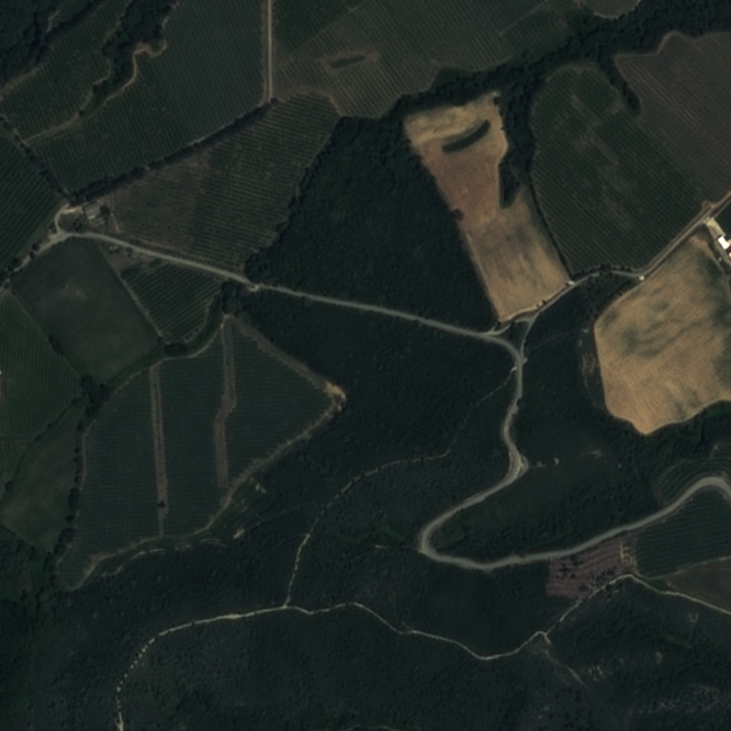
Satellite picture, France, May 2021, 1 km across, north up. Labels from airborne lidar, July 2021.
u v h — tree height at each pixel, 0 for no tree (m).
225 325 0
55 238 0
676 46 0
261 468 0
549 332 11
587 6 0
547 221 7
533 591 6
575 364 6
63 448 0
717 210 0
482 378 6
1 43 22
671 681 11
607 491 9
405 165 19
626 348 0
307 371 0
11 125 8
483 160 0
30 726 7
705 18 15
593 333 0
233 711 11
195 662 6
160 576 7
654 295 0
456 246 8
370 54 0
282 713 9
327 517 7
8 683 14
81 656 6
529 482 0
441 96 22
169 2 11
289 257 12
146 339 0
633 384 0
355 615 6
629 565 0
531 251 0
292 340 8
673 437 6
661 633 7
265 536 6
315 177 13
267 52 0
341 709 6
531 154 14
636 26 13
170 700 9
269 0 0
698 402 0
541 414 5
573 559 9
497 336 0
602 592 6
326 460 9
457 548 6
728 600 0
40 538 0
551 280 0
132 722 11
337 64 0
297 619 6
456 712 7
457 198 0
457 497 7
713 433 7
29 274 0
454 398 7
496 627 6
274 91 0
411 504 6
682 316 0
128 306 0
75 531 11
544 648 0
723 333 0
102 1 19
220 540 0
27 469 0
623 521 7
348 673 6
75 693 6
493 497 5
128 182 21
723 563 0
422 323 11
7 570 18
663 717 7
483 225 0
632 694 9
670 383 0
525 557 8
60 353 10
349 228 13
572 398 6
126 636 9
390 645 6
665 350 0
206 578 6
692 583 0
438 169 0
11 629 26
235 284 12
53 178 22
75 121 0
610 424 12
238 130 20
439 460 6
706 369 0
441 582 6
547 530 13
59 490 0
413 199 8
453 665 6
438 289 9
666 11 15
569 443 0
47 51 19
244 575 8
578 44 22
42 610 12
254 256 11
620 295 6
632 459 12
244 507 0
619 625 11
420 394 7
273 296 7
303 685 9
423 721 6
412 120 0
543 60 16
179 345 10
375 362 6
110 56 18
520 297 0
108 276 0
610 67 11
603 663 6
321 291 7
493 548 6
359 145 15
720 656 7
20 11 20
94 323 0
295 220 17
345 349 7
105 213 10
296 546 5
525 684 7
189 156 18
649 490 5
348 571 6
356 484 8
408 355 5
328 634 7
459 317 7
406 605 7
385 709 8
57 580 18
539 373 7
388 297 7
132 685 9
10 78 14
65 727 9
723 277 0
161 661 10
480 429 6
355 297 7
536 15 0
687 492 0
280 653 7
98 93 17
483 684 7
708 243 0
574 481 0
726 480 0
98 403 21
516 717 9
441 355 6
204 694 11
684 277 0
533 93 22
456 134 0
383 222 8
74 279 0
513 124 16
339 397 0
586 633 8
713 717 6
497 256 0
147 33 18
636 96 10
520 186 8
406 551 7
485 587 6
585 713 10
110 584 10
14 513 0
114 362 0
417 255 10
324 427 0
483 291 6
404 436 9
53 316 0
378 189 9
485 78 15
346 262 10
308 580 8
